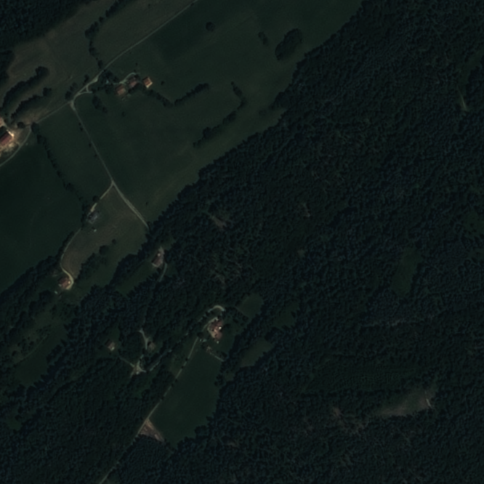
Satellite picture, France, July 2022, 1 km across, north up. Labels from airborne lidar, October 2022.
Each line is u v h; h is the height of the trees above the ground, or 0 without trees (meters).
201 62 0
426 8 6
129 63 0
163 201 0
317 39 0
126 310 24
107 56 0
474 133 21
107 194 0
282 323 0
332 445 22
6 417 30
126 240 0
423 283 26
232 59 0
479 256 7
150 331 16
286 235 21
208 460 29
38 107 0
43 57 0
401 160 23
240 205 28
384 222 31
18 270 0
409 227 30
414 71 19
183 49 0
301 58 0
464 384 22
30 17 26
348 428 16
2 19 23
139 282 0
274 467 21
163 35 0
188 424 0
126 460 25
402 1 6
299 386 22
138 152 0
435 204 23
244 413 27
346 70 19
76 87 13
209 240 23
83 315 23
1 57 19
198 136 0
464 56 21
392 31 21
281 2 0
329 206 28
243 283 25
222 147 0
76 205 0
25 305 18
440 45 19
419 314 14
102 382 15
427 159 10
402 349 7
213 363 0
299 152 21
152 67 0
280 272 23
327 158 20
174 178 0
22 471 26
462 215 13
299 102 26
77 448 24
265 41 10
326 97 16
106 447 20
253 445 20
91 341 19
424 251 29
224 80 0
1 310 23
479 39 17
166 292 22
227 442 28
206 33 0
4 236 0
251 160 18
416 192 26
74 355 17
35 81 18
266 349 0
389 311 19
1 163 0
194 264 18
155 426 0
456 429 28
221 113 0
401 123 21
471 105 15
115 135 0
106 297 24
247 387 21
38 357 0
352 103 20
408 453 22
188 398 0
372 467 15
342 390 9
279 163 28
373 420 10
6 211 0
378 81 15
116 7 15
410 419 23
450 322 25
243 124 0
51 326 9
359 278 7
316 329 22
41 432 27
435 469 20
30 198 0
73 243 0
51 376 6
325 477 22
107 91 9
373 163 23
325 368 6
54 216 0
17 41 10
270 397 25
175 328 19
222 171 22
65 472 25
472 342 20
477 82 24
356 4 0
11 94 17
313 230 26
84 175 0
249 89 0
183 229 26
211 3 0
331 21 0
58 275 0
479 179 8
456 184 26
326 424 18
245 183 20
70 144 0
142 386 10
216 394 0
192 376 0
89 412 20
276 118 0
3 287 0
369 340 20
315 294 21
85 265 12
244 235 21
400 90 16
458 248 24
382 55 25
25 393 32
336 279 23
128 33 0
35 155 0
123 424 28
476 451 19
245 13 0
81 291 0
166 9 0
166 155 0
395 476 19
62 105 0
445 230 20
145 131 0
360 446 22
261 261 15
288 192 24
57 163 12
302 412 22
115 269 0
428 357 20
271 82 0
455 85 20
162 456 22
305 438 19
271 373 28
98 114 0
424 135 17
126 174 0
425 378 17
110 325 22
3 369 26
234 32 0
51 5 23
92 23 0
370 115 24
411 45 23
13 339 21
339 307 25
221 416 22
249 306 0
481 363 17
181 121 0
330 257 27
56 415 15
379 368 9
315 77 14
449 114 20
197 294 26
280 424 25
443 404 15
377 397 21
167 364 19
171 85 0
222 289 26
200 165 0
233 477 8
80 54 0
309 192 22
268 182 28
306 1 0
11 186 0
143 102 0
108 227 0
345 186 21
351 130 21
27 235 0
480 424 26
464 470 16
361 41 19
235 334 0
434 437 22
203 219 27
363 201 18
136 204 0
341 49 15
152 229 14
